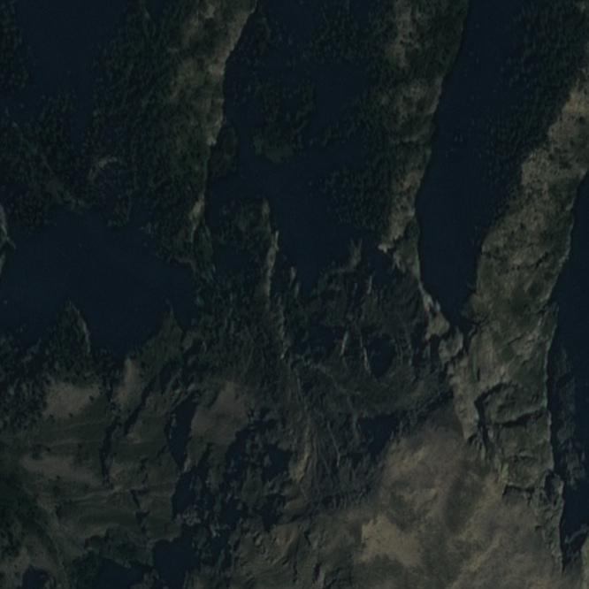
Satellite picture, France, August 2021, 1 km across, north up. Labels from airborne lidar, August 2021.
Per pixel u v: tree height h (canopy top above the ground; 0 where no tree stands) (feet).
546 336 0
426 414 0
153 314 25
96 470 0
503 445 0
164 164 28
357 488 0
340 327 0
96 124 36
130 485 0
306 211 22
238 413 0
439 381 0
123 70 30
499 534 0
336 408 0
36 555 0
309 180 36
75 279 21
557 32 19
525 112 40
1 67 27
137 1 47
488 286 0
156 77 26
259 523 0
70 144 19
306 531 0
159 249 30
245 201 30
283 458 0
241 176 19
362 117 48
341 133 21
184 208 27
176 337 0
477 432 0
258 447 0
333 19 29
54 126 61
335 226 28
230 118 0
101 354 34
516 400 0
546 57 42
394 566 0
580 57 43
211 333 31
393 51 0
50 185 0
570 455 0
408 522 0
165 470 0
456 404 0
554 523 0
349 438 0
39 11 43
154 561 0
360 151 36
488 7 26
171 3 26
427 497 0
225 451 0
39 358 0
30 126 40
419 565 0
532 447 0
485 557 0
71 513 0
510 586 0
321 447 0
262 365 0
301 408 0
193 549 0
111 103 29
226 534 0
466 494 0
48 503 0
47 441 0
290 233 0
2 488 0
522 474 0
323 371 0
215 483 0
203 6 31
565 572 0
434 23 34
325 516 0
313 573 0
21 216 43
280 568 0
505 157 39
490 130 51
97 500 0
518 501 0
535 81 44
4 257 27
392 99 23
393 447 0
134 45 47
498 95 23
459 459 0
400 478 0
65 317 23
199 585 0
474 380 0
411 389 0
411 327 0
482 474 0
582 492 0
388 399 0
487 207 30
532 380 0
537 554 0
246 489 0
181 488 0
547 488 0
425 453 0
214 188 18
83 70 23
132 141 32
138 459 0
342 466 0
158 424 0
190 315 19
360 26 25
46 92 41
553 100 43
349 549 0
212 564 0
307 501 0
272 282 0
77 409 0
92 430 0
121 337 32
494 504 0
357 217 31
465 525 0
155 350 0
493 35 62
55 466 0
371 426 0
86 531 0
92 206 38
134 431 0
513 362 0
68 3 33
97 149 21
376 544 0
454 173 48
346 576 0
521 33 57
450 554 0
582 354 0
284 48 18
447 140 20
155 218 27
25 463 0
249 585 0
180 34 18
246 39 26
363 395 0
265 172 0
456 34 54
